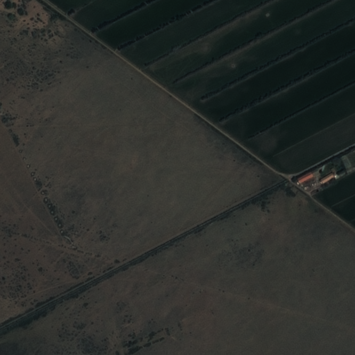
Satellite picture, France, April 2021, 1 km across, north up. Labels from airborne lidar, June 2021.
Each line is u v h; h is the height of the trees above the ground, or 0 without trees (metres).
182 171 0
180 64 0
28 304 0
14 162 0
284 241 0
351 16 0
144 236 0
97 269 0
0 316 0
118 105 0
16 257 0
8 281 0
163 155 0
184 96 0
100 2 0
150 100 0
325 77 0
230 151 0
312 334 0
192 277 0
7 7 10
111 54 0
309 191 0
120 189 0
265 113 0
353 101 0
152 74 0
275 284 0
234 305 0
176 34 0
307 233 0
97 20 0
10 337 0
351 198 0
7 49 0
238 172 0
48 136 0
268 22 0
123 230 0
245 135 0
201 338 0
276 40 0
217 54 0
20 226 0
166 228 0
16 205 0
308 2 0
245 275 0
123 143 0
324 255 0
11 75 0
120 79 0
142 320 0
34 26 0
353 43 0
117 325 0
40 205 0
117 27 0
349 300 0
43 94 0
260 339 0
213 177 0
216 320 0
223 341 0
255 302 0
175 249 0
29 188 0
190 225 0
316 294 0
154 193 0
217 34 0
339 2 0
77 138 0
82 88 0
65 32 0
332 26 0
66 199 0
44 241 0
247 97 0
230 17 0
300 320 0
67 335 0
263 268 0
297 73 0
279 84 0
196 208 0
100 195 0
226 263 0
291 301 0
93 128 0
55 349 0
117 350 0
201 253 0
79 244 0
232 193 0
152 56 0
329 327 0
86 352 0
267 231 0
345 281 0
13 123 0
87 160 0
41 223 0
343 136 0
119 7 0
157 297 0
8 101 0
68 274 0
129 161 0
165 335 0
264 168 0
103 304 0
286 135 0
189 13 10
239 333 0
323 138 0
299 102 0
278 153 0
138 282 0
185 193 0
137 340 0
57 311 0
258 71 9
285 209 0
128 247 0
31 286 0
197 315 0
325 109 0
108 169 0
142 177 0
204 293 0
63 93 0
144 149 0
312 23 0
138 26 0
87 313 0
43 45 0
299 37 0
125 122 0
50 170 0
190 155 0
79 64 0
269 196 0
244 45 6
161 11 0
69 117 0
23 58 0
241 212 0
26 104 0
